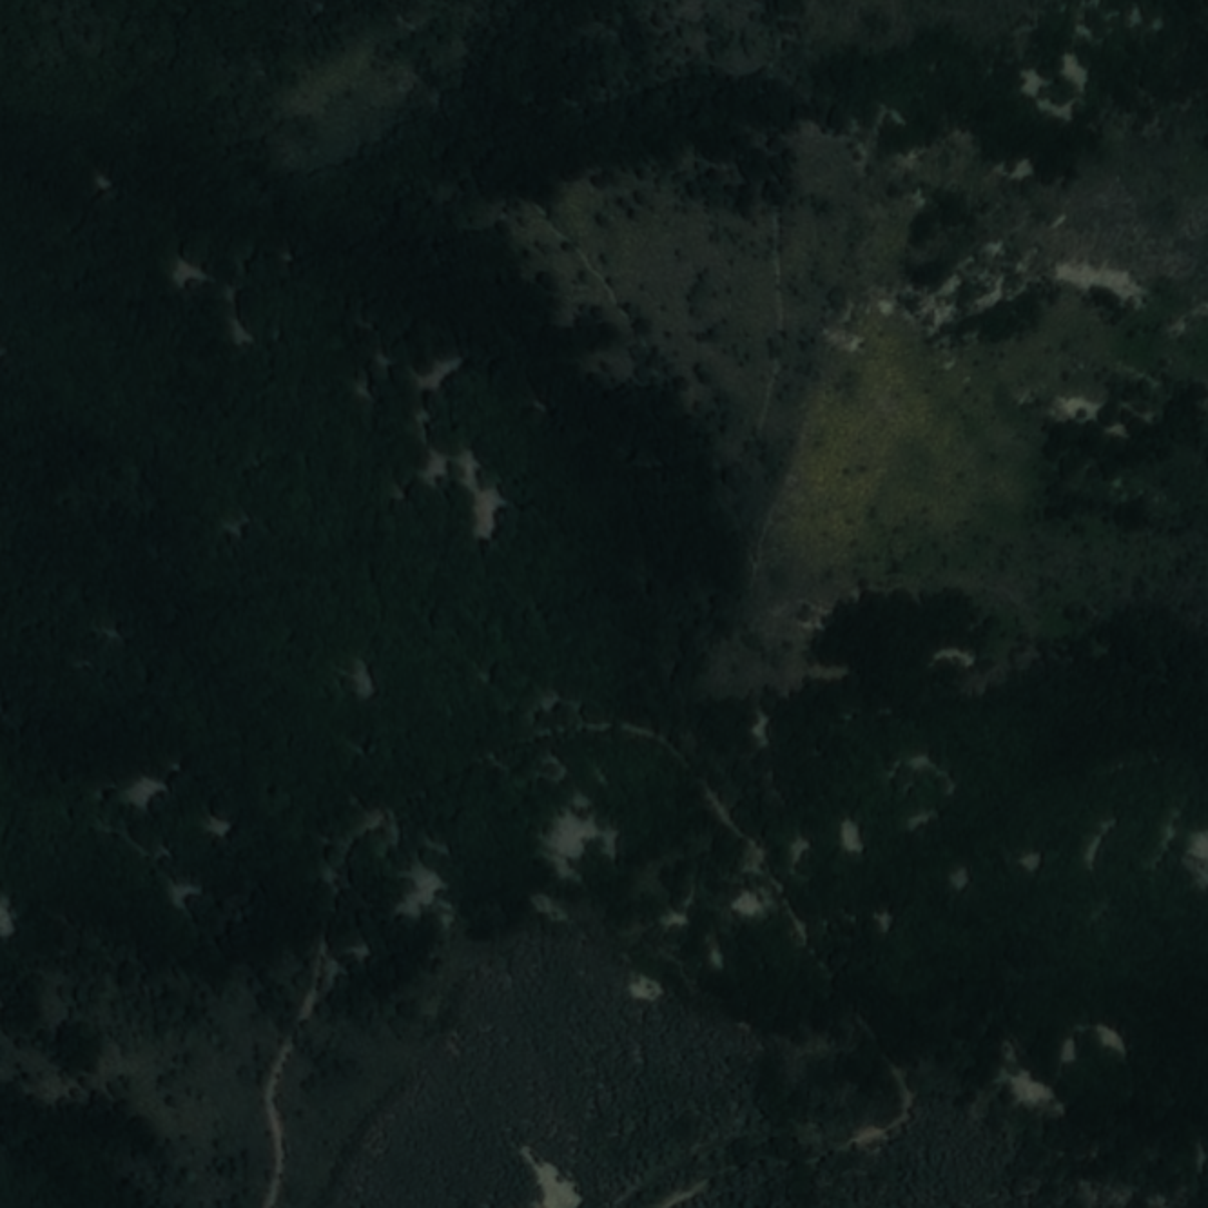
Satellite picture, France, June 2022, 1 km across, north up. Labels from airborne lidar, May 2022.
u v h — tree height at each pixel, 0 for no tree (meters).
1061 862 13
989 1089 6
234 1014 0
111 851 14
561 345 19
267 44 7
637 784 13
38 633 15
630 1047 14
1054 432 13
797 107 11
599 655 16
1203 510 9
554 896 7
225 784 15
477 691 16
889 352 0
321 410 17
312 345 19
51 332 21
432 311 21
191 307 15
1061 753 25
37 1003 7
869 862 14
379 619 16
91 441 14
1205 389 7
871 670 18
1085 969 15
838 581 0
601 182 10
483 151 10
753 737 14
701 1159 16
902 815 16
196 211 19
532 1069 12
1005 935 18
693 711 11
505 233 11
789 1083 13
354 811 12
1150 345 0
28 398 15
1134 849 12
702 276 8
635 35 11
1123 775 14
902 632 19
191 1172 9
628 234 0
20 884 17
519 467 15
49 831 18
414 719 16
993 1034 9
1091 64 9
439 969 8
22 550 18
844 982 18
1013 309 8
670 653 10
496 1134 16
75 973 10
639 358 9
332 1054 7
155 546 11
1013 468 0
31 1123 29
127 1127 18
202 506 14
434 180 11
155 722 19
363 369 9
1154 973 20
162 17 9
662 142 17
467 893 11
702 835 10
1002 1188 13
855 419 0
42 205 18
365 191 11
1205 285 0
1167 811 11
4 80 17
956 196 9
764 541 0
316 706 17
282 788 13
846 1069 12
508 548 17
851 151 6
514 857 15
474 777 16
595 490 24
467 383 20
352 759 13
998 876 16
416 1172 18
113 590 17
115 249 21
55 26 10
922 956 16
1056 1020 16
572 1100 13
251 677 18
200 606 14
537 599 16
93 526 12
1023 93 8
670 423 18
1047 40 15
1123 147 0
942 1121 14
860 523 0
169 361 24
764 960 16
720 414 6
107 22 7
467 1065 12
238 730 19
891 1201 9
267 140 9
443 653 17
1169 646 16
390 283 16
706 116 20
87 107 15
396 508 17
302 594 16
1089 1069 11
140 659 16
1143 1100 18
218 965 15
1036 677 8
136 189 25
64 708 19
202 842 15
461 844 14
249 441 21
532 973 15
